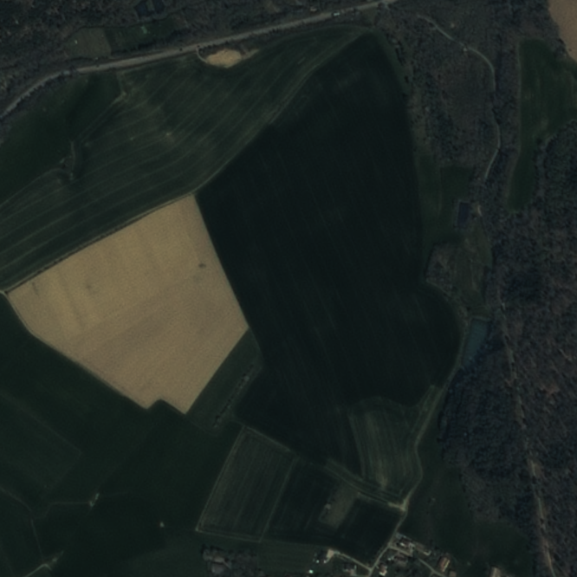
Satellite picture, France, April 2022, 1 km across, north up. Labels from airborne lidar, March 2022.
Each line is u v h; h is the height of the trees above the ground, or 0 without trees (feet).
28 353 0
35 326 0
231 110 0
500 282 76
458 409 64
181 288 0
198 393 0
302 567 0
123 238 0
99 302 0
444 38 37
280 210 0
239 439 0
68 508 0
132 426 0
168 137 0
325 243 0
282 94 0
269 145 0
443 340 0
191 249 0
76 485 0
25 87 52
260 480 0
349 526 0
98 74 0
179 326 0
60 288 0
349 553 0
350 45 0
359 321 0
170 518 0
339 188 0
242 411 0
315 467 0
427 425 0
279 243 0
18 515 0
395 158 0
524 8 70
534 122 0
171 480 0
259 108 0
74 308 0
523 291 86
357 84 0
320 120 0
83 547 0
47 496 0
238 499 0
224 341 0
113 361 0
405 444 0
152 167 0
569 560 85
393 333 0
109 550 0
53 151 0
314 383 0
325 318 0
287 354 0
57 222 0
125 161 0
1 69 28
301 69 0
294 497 0
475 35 26
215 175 0
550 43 63
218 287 0
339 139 0
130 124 0
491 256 0
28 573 0
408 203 0
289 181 0
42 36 40
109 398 0
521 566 0
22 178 0
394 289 0
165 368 0
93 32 0
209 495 0
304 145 0
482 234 0
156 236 0
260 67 0
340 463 0
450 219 0
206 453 0
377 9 0
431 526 0
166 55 0
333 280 0
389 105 0
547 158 37
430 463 0
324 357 0
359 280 0
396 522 0
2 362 0
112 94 0
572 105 0
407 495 0
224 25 41
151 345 0
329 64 0
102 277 0
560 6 0
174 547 0
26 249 0
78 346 0
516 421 104
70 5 35
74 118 0
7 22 30
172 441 0
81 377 0
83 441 0
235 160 0
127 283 0
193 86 0
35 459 0
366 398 0
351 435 0
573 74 0
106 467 0
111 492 0
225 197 0
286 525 0
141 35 0
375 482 0
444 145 59
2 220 0
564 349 80
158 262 0
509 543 0
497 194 62
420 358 0
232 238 0
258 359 0
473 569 0
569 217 36
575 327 54
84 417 0
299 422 0
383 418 0
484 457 91
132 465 0
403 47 45
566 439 88
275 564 0
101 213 0
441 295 0
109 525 0
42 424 0
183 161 0
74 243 0
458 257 0
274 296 0
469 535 0
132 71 0
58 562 0
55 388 0
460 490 0
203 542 0
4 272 0
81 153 0
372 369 0
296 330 0
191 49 0
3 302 0
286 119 0
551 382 91
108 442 0
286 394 0
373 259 0
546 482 49
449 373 0
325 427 0
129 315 0
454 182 0
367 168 0
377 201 0
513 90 68
